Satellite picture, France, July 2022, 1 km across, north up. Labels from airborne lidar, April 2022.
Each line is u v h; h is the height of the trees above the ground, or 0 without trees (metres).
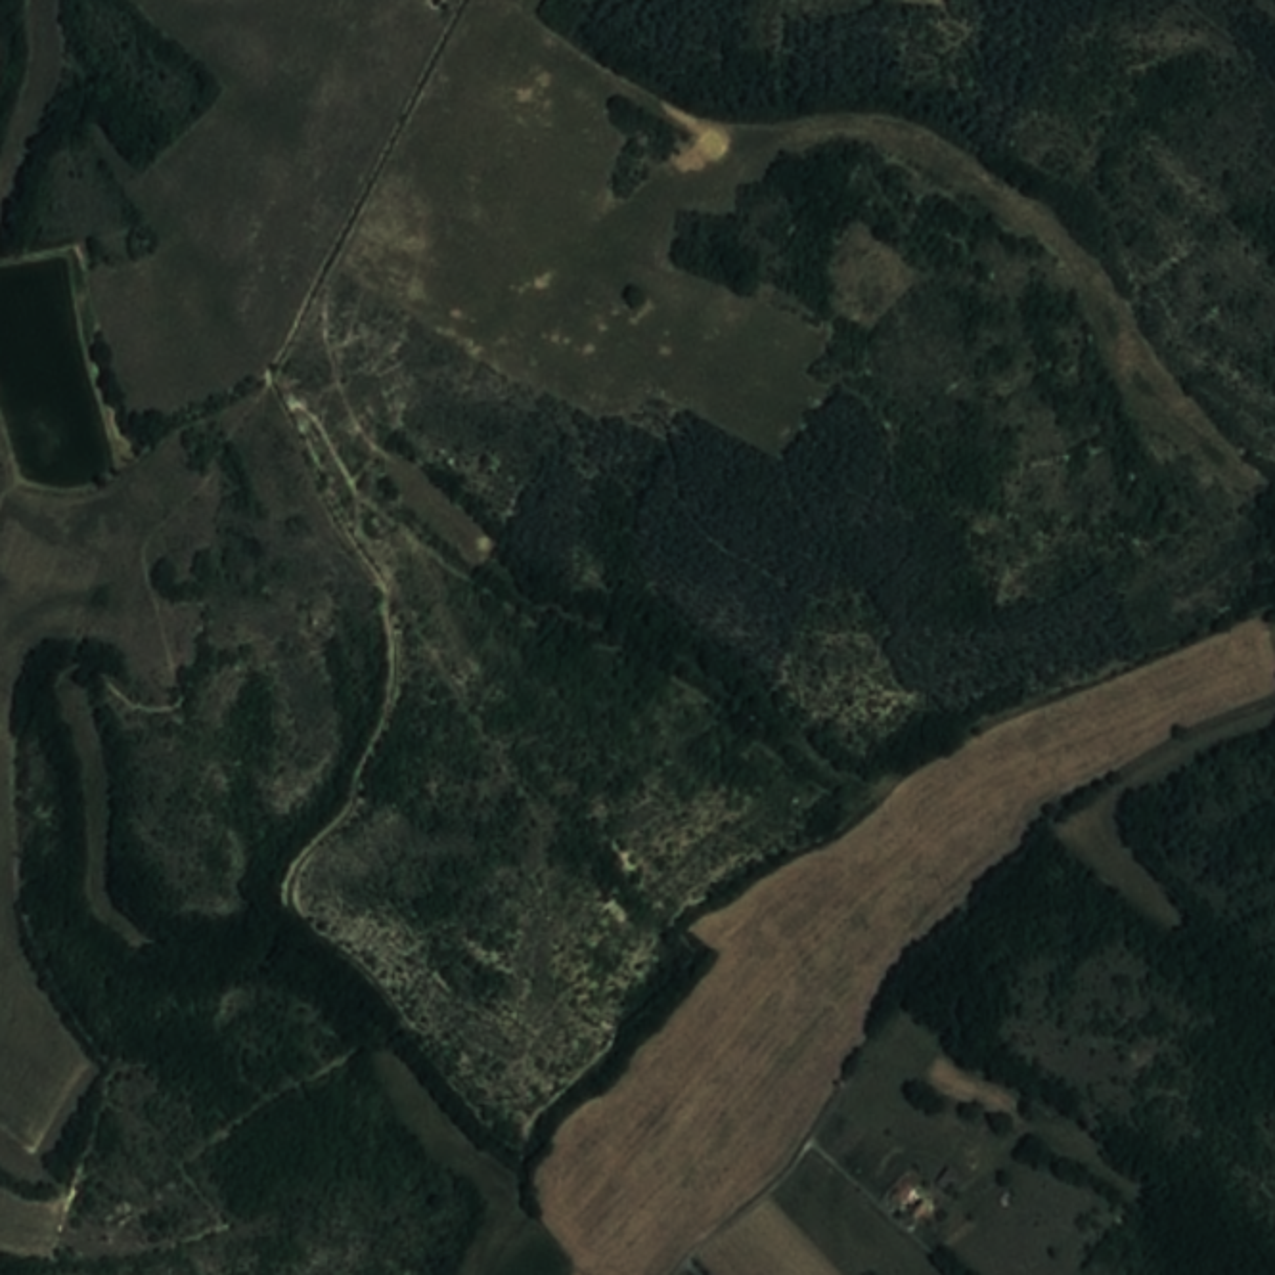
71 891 14
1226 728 0
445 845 0
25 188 15
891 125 0
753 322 0
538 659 7
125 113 18
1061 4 16
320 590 0
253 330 0
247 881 9
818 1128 0
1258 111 0
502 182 0
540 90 0
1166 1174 12
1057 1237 0
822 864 0
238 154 0
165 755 0
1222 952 12
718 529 14
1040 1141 13
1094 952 8
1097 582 16
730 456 11
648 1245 0
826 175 12
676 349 0
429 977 0
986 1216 0
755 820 0
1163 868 12
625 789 7
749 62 16
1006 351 11
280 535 0
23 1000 0
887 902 0
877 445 13
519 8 0
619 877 12
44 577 0
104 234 0
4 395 0
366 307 0
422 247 0
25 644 0
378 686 10
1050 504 0
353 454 0
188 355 0
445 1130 0
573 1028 0
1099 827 0
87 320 0
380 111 0
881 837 0
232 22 0
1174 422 0
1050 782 0
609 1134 0
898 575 16
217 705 0
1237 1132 7
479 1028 0
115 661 12
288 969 18
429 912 8
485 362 0
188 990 8
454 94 0
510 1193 0
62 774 13
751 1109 0
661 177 0
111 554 0
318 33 0
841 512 11
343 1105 7
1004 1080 17
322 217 0
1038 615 16
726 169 0
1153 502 6
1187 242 0
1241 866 8
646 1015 15
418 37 0
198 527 0
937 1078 0
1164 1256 13
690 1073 0
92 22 0
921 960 16
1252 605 13
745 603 13
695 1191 0
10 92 11
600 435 10
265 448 0
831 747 13
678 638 17
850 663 0
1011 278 0
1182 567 0
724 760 6
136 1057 10
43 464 0
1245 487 0
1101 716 0
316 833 9
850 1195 0
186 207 0
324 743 0
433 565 0
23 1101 0
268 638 0
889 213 8
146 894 11
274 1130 11
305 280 0
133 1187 0
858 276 0
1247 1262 15
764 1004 0
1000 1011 10
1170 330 0
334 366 0
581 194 0
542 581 13
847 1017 0
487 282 0
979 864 0
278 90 0
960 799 0
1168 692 0
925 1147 0
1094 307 0
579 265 0
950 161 0
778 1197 0
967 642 12
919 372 0
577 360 0
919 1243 0
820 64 17
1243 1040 12
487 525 8
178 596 11
